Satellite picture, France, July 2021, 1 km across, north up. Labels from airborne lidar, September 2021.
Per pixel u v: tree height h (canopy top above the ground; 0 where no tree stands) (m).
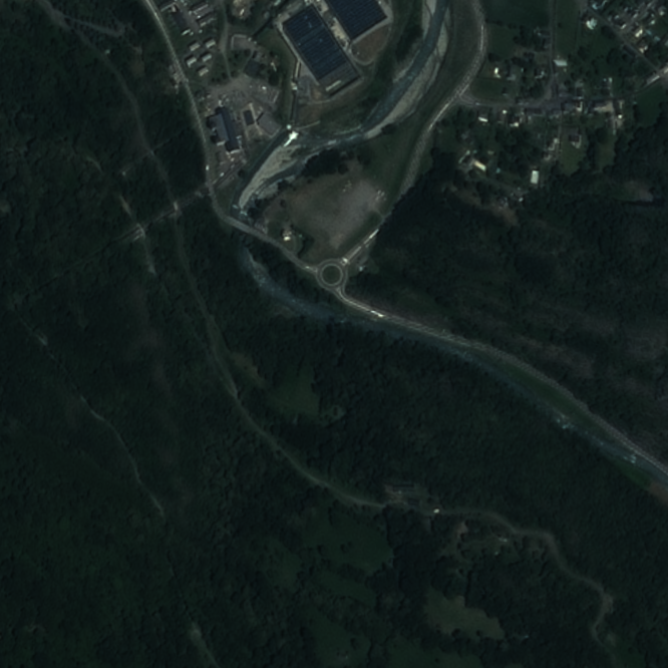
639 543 13
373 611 13
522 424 12
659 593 14
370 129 0
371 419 16
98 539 15
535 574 16
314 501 24
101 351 16
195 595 14
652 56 14
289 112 0
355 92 0
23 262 17
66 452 11
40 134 18
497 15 0
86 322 14
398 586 14
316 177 8
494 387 17
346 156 10
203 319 10
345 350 21
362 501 0
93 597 20
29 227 15
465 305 7
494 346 11
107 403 15
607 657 11
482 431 12
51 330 12
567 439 20
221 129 0
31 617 26
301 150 7
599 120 0
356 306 0
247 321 21
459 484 9
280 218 0
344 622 13
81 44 14
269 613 11
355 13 0
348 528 0
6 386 15
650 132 20
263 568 8
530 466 9
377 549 0
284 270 32
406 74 0
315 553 21
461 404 11
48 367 9
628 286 6
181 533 20
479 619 0
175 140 16
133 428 8
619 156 15
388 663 11
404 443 14
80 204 19
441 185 11
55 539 17
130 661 29
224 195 0
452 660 0
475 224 7
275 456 22
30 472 17
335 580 0
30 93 14
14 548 34
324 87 0
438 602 0
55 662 10
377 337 27
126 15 21
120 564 12
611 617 9
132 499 8
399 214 23
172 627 18
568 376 15
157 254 16
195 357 11
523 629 10
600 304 8
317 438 13
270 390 7
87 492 11
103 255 11
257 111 0
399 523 26
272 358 16
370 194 0
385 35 0
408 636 12
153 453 11
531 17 0
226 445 19
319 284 0
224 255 20
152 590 13
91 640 13
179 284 20
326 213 0
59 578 23
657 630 18
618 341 6
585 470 11
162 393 6
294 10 0
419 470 11
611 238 8
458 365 18
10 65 12
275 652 26
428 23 0
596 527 11
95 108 7
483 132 0
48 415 10
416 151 0
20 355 15
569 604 11
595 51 0
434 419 13
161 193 6
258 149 0
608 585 13
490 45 0
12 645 13
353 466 13
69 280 12
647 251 10
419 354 16
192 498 6
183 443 11
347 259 0
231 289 20
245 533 24
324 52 0
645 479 0
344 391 21
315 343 23
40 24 9
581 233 11
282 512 17
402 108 0
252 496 23
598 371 8
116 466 7
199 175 14
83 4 16
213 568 18
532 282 13
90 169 12
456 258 11
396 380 17
